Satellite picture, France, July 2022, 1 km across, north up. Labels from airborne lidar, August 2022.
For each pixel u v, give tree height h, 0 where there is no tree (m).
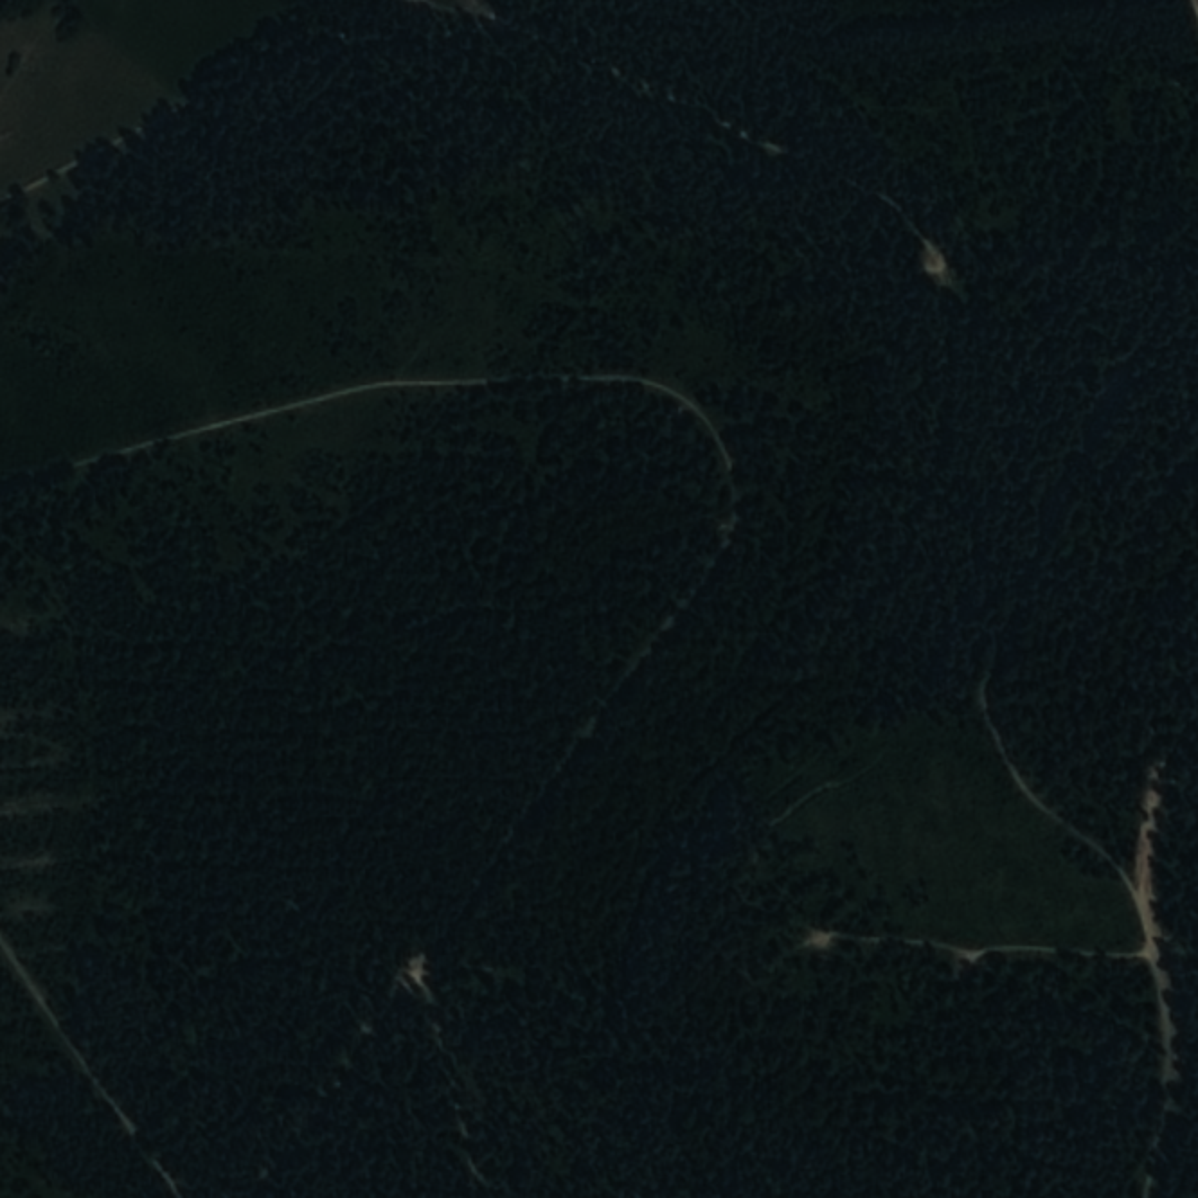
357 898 25
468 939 24
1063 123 17
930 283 33
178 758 20
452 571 13
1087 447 34
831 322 13
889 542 39
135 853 9
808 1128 10
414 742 17
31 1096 33
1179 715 18
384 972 31
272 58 17
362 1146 40
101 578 15
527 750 23
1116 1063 35
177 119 36
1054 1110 21
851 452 12
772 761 14
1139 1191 18
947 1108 35
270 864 24
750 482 20
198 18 0
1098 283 36
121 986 29
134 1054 6
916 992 19
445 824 20
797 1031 18
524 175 34
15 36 0
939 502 41
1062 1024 41
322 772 14
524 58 35
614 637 21
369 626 19
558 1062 39
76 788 9
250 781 23
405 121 40
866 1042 15
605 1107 7
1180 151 5
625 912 13
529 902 21
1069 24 31
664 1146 32
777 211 35
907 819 0
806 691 18
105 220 19
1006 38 25
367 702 10
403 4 25
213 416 0
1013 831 0
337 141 17
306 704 17
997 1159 37
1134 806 19
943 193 8
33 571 9
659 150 30
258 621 17
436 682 16
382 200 34
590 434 17
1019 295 21
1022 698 12
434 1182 35
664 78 30
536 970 26
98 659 12
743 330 13
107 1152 26
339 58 27
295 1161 34
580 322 8
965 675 32
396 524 13
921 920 0
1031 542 30
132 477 11
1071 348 41
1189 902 17
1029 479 37
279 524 9
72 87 0
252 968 31
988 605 36
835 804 0
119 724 9
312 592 18
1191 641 39
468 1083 31
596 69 31
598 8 29
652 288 7
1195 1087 13
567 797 18
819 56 25
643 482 17
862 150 38
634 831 21
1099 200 10
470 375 0
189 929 16
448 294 0
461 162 33
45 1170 7
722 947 22
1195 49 23
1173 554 16
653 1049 11
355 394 0
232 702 20
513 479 15
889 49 28
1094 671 14
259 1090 18
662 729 17
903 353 37
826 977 16
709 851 37
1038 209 14
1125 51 19
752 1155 36
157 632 16
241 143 37
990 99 10
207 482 10
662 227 36
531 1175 27
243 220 37
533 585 17
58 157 0
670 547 23
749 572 12
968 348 34
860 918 7
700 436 16
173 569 15
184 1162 32
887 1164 30
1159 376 38
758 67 35
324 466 8
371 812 21
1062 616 18
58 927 9
